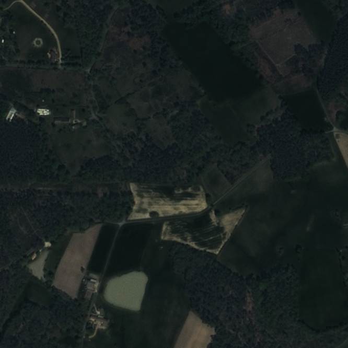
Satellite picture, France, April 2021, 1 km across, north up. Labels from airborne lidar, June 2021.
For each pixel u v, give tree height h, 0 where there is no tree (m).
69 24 17
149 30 17
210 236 0
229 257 0
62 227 23
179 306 0
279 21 0
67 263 0
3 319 19
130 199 17
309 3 0
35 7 0
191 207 0
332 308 0
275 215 0
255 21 14
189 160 21
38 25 0
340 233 0
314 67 22
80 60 10
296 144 23
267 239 0
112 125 0
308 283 0
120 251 0
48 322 19
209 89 0
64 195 21
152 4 0
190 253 14
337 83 22
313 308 0
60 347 0
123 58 0
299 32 0
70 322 13
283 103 13
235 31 22
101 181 10
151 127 0
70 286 0
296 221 0
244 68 0
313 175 0
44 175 24
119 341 0
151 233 0
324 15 0
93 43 20
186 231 0
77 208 15
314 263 0
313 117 0
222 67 0
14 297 20
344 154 0
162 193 0
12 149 26
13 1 0
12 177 25
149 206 0
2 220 27
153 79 0
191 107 15
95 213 16
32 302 12
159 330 0
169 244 0
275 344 11
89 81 12
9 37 12
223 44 0
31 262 7
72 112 0
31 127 20
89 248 0
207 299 23
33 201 27
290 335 14
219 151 15
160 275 0
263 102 0
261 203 0
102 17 20
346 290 0
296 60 6
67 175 19
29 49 0
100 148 0
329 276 0
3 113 20
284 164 20
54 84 0
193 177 18
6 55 17
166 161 25
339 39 19
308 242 0
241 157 16
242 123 0
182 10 0
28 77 0
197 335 0
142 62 0
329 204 0
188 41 0
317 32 0
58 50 0
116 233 0
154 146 16
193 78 0
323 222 0
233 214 0
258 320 20
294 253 0
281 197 0
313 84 0
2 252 14
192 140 12
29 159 25
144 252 0
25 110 16
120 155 17
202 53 0
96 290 0
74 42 0
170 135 0
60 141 0
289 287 10
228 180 7
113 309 0
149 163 18
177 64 14
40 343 20
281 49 0
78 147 0
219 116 0
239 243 0
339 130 0
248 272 0
